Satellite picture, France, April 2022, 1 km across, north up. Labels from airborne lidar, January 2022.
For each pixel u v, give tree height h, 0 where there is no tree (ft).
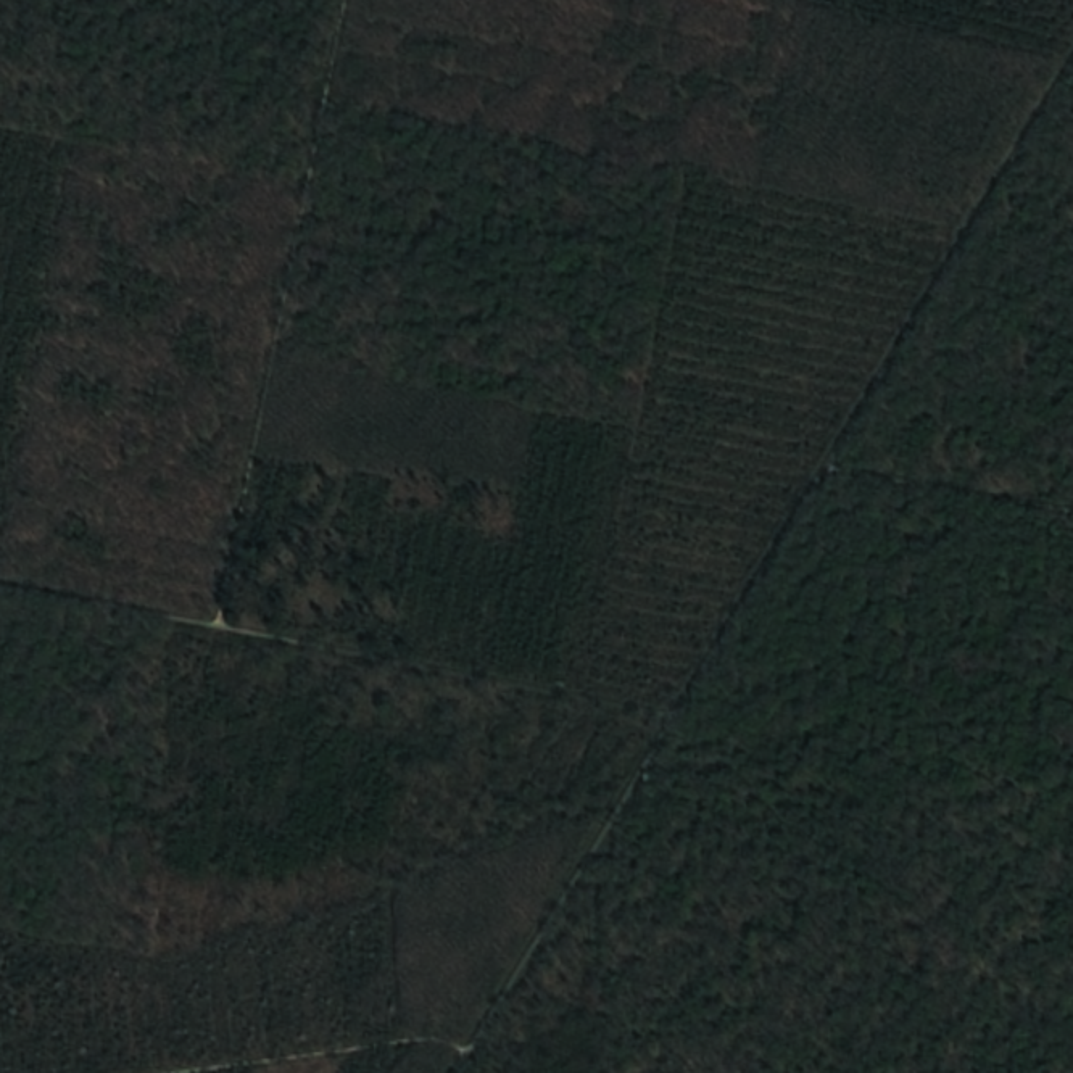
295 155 68
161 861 23
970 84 65
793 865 91
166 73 80
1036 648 86
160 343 62
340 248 53
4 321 26
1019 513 68
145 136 80
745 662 71
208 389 56
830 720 75
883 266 21
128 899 82
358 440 62
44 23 80
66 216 47
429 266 73
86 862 87
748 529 21
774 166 62
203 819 26
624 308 73
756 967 73
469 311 80
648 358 64
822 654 77
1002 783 73
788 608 77
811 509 76
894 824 87
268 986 23
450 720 74
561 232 39
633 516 23
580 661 23
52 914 77
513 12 51
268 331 63
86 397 47
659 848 77
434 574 31
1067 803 62
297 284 86
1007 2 31
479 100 51
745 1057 75
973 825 72
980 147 64
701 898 76
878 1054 82
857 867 53
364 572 69
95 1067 33
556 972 68
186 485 53
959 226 54
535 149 73
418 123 72
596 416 61
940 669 72
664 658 24
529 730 79
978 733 75
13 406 29
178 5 71
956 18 31
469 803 71
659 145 55
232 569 75
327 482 86
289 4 62
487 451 60
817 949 91
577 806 61
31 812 87
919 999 83
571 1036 64
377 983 49
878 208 52
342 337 75
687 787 65
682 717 77
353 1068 26
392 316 85
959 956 85
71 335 53
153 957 77
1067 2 27
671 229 79
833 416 24
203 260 51
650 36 50
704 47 53
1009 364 74
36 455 58
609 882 69
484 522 79
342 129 82
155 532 55
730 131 51
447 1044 46
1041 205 68
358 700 69
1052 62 53
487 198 67
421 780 100
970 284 76
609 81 41
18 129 64
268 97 76
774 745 44
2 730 79
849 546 85
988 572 68
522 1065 90
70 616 71
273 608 25
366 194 70
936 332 83
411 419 61
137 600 55
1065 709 92
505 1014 73
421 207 87
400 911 56
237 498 52
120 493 52
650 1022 80
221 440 41
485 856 61
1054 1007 89
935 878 79
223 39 75
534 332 85
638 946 75
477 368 77
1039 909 76
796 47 49
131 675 73
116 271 59
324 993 20
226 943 30
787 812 49
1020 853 63
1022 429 73
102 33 71
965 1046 78
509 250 74
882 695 74
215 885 24
